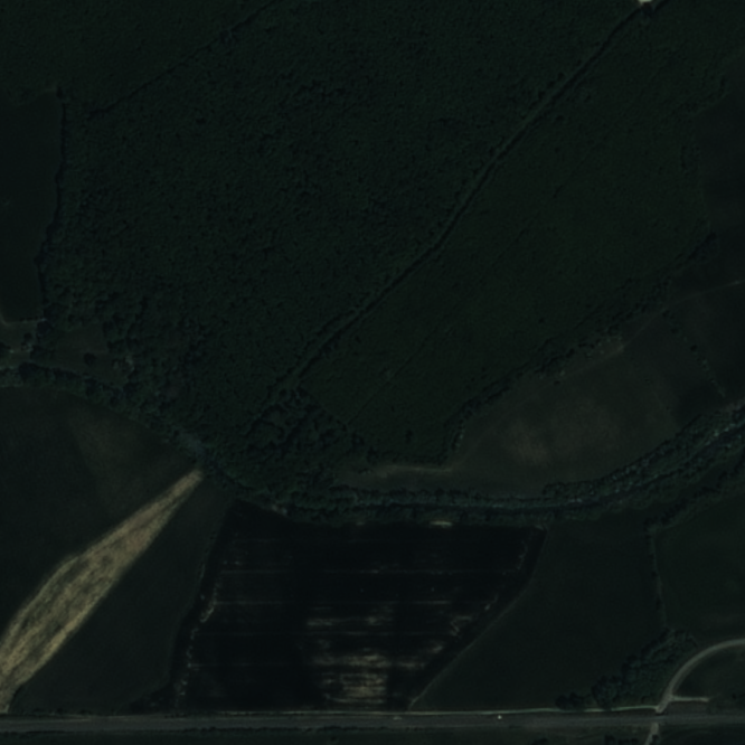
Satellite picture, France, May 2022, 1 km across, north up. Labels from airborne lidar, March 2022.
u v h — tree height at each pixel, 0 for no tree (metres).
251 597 0
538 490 0
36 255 0
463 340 8
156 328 25
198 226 18
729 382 0
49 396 0
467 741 0
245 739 0
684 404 0
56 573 0
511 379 9
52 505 0
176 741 0
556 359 13
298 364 14
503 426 0
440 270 7
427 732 0
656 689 22
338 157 15
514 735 0
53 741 0
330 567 0
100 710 0
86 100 14
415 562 0
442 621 0
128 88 14
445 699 0
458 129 18
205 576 0
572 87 9
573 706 17
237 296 17
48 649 0
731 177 0
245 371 14
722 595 0
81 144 19
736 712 0
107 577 0
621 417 0
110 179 21
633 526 0
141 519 0
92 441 0
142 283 23
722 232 0
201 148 19
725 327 0
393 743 0
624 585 0
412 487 0
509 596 0
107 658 0
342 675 0
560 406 0
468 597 0
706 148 0
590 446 0
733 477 10
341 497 9
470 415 17
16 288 0
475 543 0
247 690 0
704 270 0
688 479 15
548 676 0
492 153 11
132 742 0
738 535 0
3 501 0
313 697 0
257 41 16
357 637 0
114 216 23
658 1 0
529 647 0
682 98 9
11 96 8
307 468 10
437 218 14
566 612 0
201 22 11
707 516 0
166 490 0
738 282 0
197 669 0
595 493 13
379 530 0
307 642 0
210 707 0
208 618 0
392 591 0
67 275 21
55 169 0
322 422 24
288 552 0
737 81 0
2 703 0
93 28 12
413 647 0
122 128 19
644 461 6
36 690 0
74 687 0
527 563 0
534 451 0
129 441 0
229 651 0
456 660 0
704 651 0
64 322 20
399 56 19
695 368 0
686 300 0
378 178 21
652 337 0
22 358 0
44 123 0
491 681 0
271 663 0
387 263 17
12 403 0
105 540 0
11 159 0
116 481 0
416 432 6
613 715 0
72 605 0
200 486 0
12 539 0
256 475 23
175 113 19
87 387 7
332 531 0
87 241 22
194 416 20
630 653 0
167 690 0
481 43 17
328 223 17
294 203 19
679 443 7
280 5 17
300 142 20
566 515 6
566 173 6
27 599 0
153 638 0
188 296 19
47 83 21
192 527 0
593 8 16
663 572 0
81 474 0
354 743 0
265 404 15
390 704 0
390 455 7
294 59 18
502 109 17
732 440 10
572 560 0
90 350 0
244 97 23
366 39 19
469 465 0
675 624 0
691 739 0
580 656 0
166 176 20
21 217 0
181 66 17
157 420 16
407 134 17
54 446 0
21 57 14
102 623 0
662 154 9
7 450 0
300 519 11
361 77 21
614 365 0
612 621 0
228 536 0
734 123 0
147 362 24
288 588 0
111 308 15
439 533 0
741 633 0
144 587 0
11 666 0
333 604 0
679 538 0
